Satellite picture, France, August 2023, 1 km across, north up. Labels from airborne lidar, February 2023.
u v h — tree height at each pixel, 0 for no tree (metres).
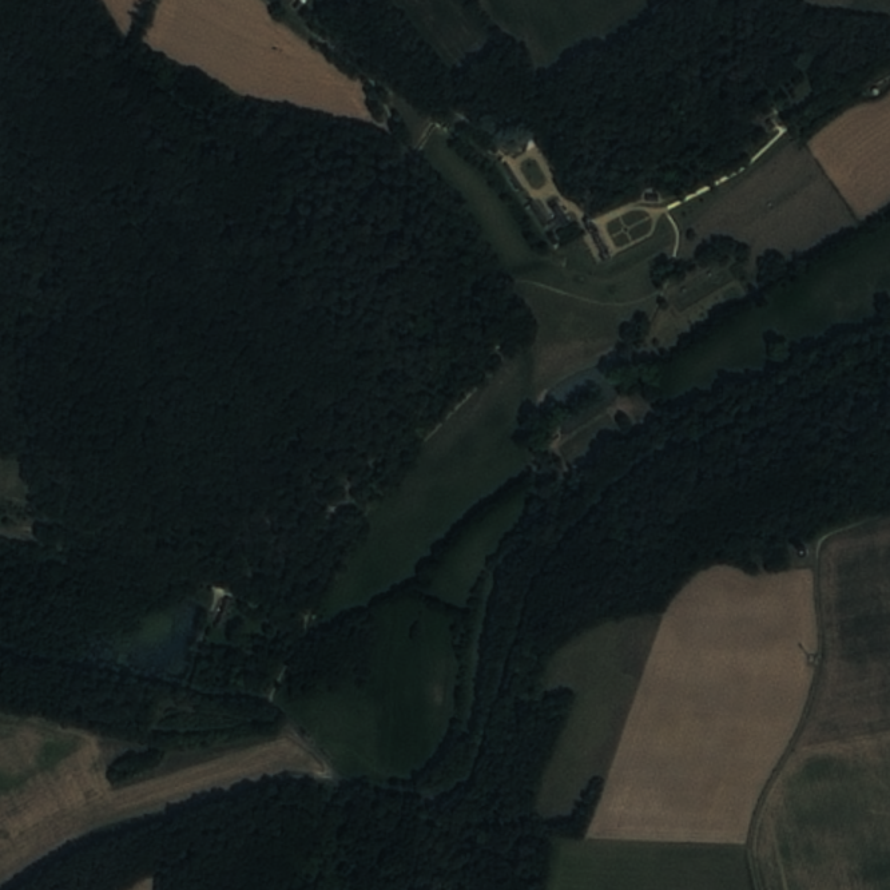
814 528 13
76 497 20
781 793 0
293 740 0
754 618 0
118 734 18
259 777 0
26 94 24
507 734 15
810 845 0
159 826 14
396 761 0
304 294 22
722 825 0
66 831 0
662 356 13
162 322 21
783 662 0
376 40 18
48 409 24
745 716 0
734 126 25
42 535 17
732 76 26
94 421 20
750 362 0
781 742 0
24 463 23
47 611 10
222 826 25
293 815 16
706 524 15
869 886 0
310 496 20
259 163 23
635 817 0
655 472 28
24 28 18
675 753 0
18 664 28
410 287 22
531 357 0
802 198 0
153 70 8
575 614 20
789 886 0
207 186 19
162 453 26
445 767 21
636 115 18
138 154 22
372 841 15
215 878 21
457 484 0
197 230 27
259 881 19
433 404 25
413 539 0
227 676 13
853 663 0
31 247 22
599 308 0
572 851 0
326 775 0
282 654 17
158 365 26
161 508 24
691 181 19
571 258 0
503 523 0
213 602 0
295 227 30
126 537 21
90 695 20
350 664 8
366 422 22
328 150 21
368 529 25
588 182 24
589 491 23
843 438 15
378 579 0
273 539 24
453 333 23
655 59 25
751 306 16
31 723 0
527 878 7
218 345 25
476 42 0
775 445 25
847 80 22
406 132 19
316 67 0
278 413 20
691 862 0
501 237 0
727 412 22
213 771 0
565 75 24
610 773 0
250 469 25
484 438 0
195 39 0
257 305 22
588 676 0
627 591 17
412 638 7
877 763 0
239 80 0
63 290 23
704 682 0
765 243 0
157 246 24
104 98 19
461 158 10
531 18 0
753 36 22
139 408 28
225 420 25
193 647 16
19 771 0
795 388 27
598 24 0
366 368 18
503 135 26
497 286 25
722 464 18
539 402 0
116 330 22
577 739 0
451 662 0
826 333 0
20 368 22
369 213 32
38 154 19
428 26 0
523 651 22
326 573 24
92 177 23
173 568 19
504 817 25
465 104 21
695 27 29
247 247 20
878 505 13
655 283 6
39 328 21
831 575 0
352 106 0
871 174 0
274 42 0
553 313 0
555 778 0
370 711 0
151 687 21
